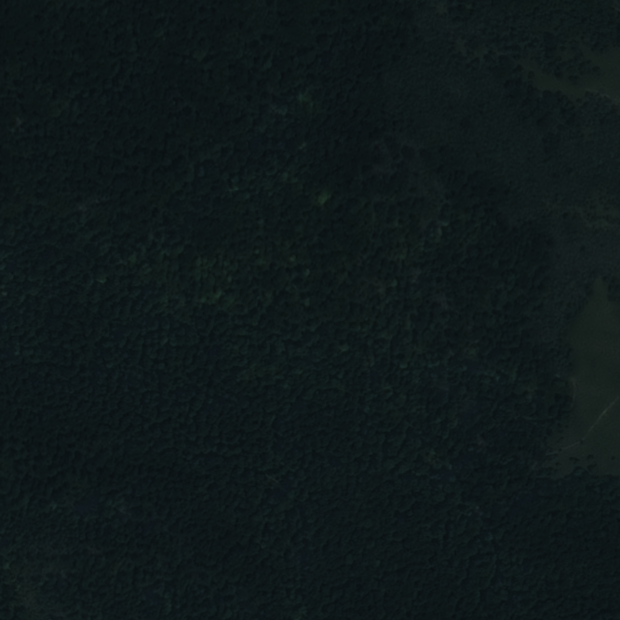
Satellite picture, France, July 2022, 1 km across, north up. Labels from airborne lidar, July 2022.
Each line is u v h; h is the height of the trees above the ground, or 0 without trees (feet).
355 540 107
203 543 66
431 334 67
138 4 74
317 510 112
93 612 34
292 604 78
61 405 86
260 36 37
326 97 68
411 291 71
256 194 71
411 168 27
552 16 30
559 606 74
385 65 37
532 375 89
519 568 105
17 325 90
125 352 94
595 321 0
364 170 73
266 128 56
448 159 38
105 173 117
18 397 69
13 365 108
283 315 62
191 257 66
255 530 110
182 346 94
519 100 26
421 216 31
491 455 88
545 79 0
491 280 29
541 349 68
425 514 60
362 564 116
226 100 45
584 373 0
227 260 52
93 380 27
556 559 101
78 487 22
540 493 49
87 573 82
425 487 124
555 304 26
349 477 115
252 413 112
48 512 61
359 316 69
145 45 96
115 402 99
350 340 75
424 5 35
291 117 64
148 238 98
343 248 69
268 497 108
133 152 74
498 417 65
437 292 25
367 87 94
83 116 103
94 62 92
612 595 101
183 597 64
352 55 120
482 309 40
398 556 113
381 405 129
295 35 37
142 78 91
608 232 19
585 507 93
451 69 21
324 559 116
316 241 42
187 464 99
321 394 98
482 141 22
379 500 108
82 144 109
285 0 54
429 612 101
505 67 69
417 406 59
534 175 24
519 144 19
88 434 56
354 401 104
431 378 38
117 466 84
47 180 70
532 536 100
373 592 102
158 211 73
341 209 95
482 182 79
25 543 45
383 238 70
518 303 78
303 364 90
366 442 115
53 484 99
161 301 81
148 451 84
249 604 82
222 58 88
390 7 54
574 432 0
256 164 88
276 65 119
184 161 110
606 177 20
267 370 94
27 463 93
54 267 102
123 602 44
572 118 66
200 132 57
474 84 20
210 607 102
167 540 49
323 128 95
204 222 81
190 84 83
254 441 116
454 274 70
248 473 108
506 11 22
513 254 71
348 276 66
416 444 111
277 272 83
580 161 21
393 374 75
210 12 86
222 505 87
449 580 126
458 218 60
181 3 99
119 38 80
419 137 25
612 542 112
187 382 21
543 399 88
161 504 47
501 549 113
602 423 0
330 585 94
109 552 36
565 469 0
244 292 90
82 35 67
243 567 89
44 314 29
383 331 75
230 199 87
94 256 83
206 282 93
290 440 96
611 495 70
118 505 90
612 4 31
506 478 71
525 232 44
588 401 0
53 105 119
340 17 40
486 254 52
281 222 64
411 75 28
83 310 101
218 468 114
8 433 74
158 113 115
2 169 62
